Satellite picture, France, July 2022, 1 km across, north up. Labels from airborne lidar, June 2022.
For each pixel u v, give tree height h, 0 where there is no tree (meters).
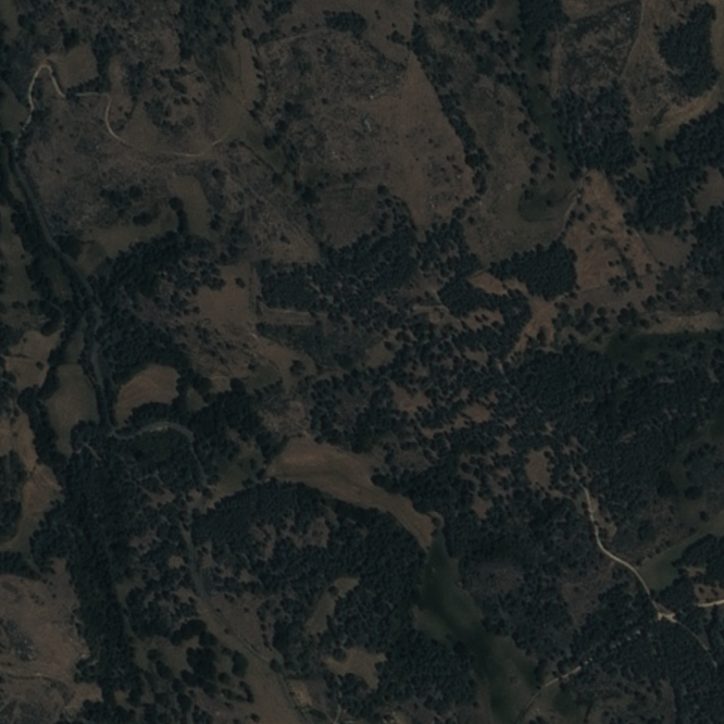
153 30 0
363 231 0
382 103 0
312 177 0
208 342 18
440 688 11
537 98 0
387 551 15
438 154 0
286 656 10
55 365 9
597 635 21
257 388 0
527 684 0
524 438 15
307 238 0
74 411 0
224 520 20
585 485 14
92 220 0
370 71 0
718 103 0
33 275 15
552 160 15
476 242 0
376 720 10
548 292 14
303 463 0
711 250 13
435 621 0
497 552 7
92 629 7
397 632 7
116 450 16
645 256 0
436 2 0
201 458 15
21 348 0
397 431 15
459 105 11
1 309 15
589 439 9
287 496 21
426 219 0
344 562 19
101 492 20
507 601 12
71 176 0
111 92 0
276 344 0
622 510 15
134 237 0
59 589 0
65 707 0
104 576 15
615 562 0
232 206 0
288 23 0
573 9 0
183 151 0
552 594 14
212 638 15
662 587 0
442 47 0
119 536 15
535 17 24
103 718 16
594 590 0
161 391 0
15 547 0
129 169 0
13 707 0
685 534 0
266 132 0
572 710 0
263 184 0
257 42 13
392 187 0
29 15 9
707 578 15
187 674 17
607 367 12
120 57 0
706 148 18
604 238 0
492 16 0
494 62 0
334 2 0
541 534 8
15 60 0
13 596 0
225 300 0
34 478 0
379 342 0
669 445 18
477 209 0
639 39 0
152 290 8
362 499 0
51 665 0
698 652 16
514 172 0
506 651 0
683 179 20
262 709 0
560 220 0
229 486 0
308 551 13
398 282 15
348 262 19
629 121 22
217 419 18
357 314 13
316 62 0
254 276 0
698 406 16
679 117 0
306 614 17
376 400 9
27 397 18
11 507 8
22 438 0
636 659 13
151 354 18
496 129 0
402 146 0
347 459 0
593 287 0
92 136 0
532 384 18
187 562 17
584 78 0
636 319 14
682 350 8
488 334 18
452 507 19
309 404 0
